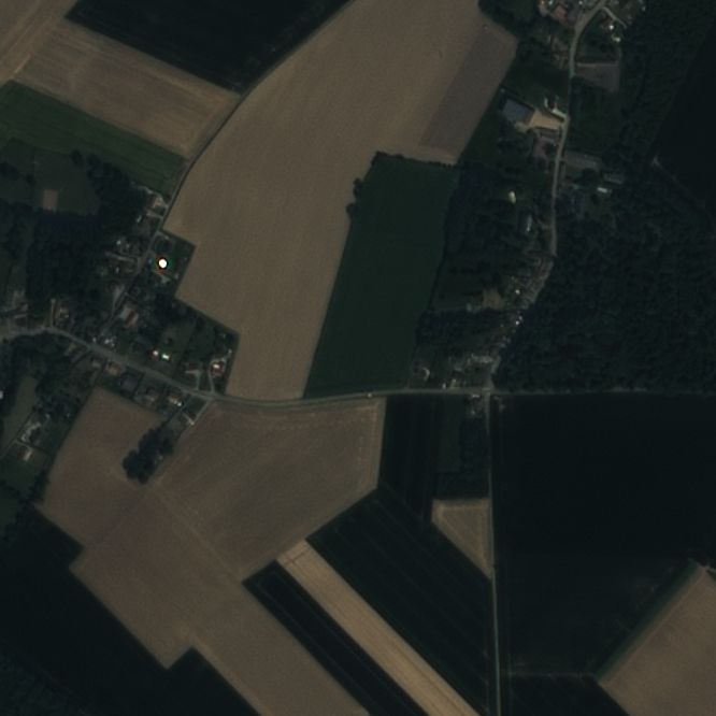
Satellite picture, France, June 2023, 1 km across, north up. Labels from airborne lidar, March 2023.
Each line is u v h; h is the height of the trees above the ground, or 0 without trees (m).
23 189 0
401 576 0
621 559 0
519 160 0
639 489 0
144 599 0
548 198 11
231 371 0
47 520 0
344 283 0
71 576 0
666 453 0
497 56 0
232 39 0
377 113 0
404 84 0
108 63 0
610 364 33
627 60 16
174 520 0
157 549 0
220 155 0
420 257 0
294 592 0
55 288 25
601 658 0
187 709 0
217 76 0
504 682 0
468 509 0
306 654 0
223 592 0
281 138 0
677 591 0
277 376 0
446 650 0
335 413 0
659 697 0
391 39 0
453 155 0
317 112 0
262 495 0
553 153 17
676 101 0
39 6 0
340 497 0
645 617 0
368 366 0
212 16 0
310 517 0
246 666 0
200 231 0
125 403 0
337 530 0
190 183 0
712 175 0
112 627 0
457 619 0
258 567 0
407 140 0
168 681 0
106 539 0
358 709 0
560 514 0
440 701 0
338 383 0
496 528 0
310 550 0
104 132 0
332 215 0
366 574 0
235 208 0
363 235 0
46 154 0
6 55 0
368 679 0
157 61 0
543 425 0
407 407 0
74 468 0
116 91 0
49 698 22
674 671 0
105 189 19
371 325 0
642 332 18
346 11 0
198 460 0
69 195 0
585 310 31
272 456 0
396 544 0
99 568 0
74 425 0
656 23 10
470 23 0
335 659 0
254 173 0
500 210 19
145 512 0
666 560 0
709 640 0
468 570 0
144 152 0
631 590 0
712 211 0
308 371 0
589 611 0
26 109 0
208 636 0
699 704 0
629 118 10
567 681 0
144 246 7
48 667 0
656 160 0
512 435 0
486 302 0
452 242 27
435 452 0
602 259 29
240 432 0
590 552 0
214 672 0
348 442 0
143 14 0
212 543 0
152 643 0
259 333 0
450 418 0
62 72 0
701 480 0
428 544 0
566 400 0
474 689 0
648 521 0
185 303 0
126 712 0
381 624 0
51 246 25
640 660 0
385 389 0
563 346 31
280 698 0
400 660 0
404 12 0
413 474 0
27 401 0
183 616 0
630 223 23
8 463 0
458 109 0
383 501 0
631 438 0
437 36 0
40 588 0
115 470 0
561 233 7
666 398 0
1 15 0
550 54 10
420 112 0
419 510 0
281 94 0
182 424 0
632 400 0
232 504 0
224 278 0
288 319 0
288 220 0
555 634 0
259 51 0
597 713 0
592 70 0
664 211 32
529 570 0
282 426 0
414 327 0
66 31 0
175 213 0
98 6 0
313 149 0
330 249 0
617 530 0
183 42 0
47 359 10
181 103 0
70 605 0
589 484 0
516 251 10
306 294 0
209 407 0
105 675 0
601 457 0
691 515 0
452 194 0
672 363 15
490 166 0
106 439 0
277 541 0
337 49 0
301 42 0
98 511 0
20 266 0
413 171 0
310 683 0
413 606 0
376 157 7
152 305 11
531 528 0
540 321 27
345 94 0
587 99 15
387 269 0
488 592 0
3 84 0
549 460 0
